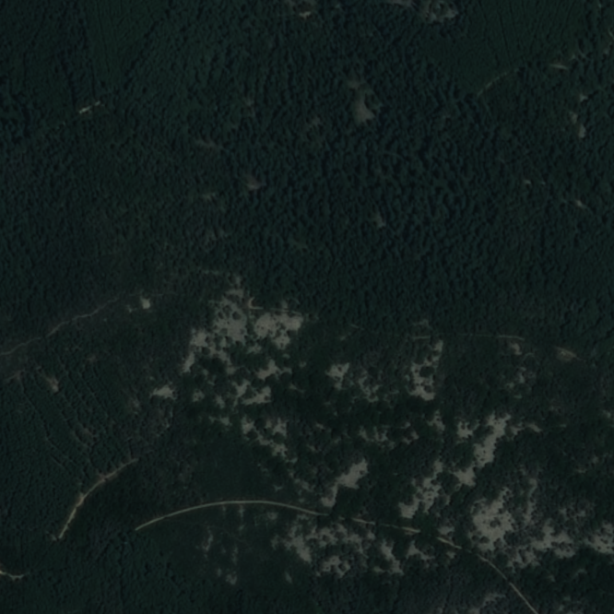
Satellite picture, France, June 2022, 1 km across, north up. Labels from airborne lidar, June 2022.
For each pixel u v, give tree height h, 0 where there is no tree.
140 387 9
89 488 19
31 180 15
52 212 12
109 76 12
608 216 23
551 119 8
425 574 11
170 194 12
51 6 16
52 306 12
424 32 31
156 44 31
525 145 13
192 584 32
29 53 14
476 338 6
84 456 17
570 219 28
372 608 20
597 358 7
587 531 13
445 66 12
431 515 13
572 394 12
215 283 7
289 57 19
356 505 15
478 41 12
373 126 19
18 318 10
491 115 9
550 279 28
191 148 13
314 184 30
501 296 12
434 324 11
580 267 27
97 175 15
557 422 8
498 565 11
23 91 7
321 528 11
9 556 12
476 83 14
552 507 6
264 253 21
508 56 10
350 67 20
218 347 6
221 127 31
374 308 15
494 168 15
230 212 10
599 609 10
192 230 16
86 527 6
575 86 21
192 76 33
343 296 12
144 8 13
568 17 9
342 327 6
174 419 12
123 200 9
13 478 23
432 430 12
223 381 11
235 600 12
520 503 9
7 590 9
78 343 17
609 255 28
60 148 17
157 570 22
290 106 24
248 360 10
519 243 10
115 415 20
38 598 12
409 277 14
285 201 29
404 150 29
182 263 9
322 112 18
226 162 13
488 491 9
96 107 9
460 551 11
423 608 14
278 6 14
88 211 6
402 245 27
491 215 16
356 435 10
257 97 17
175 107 36
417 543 11
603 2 21
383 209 18
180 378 14
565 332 21
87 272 11
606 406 7
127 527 10
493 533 0
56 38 16
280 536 6
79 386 22
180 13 33
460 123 14
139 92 33
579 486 10
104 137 15
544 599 9
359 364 15
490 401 11
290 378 8
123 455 17
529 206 10
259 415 9
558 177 10
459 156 17
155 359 10
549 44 8
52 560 12
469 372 9
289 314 6
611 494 11
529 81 27
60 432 21
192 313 9
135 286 6
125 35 7
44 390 18
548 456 10
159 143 8
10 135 29
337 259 15
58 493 26
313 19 14
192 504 10
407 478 12
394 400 9
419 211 29
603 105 25
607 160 32
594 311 24
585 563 14
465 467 9
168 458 14
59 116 13
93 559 22
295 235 25
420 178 33
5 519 14
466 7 22
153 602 28
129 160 9
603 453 6
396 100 17
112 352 13
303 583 6
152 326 7
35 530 22
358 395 7
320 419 13
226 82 14
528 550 10
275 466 11
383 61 15
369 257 9
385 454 8
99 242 12
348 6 30
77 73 23
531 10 12
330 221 7
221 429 7
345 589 14
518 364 8
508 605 12
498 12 10
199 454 12
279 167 33
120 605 24
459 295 16
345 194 33
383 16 31
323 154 12
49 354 9
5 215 23
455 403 16
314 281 13
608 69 30
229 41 29
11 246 17
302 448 14
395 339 6
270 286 23
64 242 12
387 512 11
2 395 12
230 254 20
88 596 25
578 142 14
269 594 6
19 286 22
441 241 20
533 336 8
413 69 25
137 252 9
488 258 17
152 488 6
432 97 10
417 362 9
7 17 15
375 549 8
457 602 10
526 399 6
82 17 22
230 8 32
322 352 7
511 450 14
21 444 24
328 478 15
